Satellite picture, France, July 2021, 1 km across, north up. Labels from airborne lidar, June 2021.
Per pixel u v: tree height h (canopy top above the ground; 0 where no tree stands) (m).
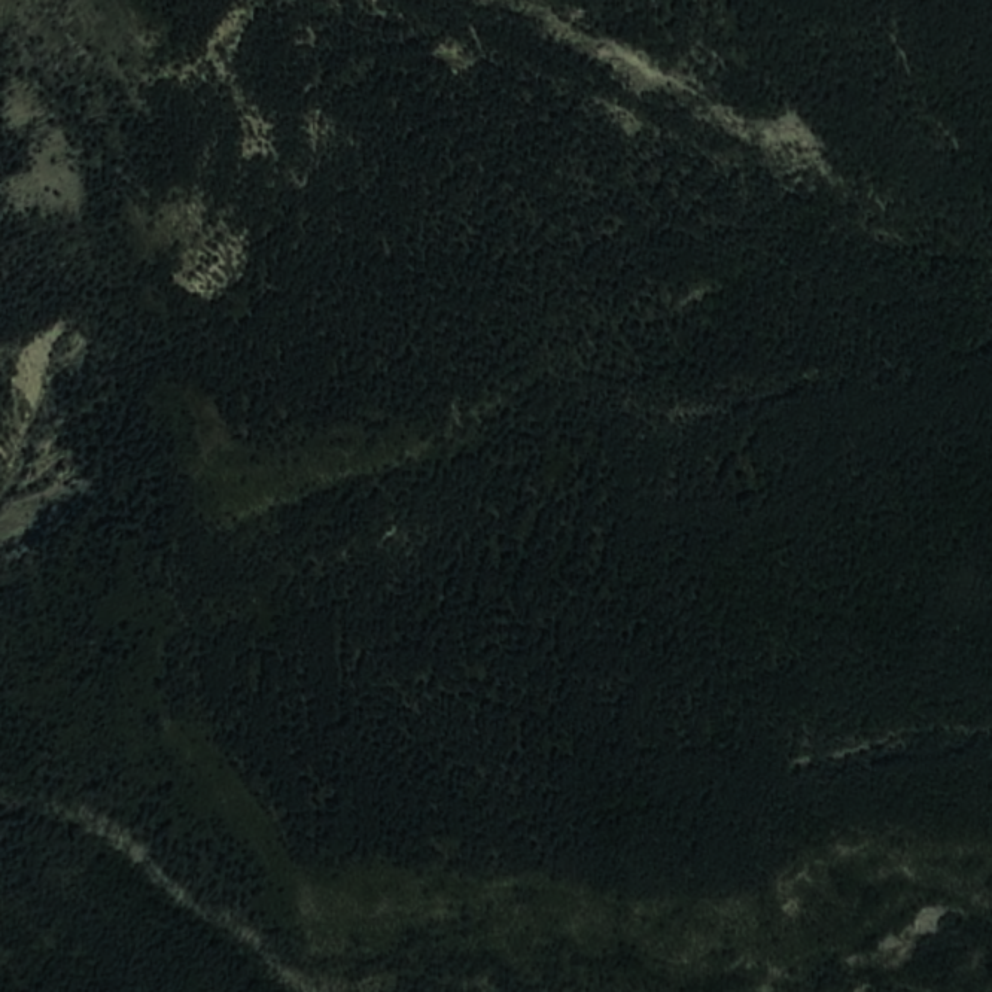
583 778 17
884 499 13
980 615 10
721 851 15
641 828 16
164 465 12
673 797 11
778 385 12
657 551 14
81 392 15
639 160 13
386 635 17
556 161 12
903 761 13
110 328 10
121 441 11
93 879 6
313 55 12
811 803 9
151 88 6
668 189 13
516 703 15
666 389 14
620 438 10
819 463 15
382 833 11
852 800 14
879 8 10
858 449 13
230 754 7
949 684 10
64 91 8
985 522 14
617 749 18
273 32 10
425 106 17
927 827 10
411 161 13
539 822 11
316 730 15
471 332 15
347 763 15
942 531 15
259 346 13
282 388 15
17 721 12
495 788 12
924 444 13
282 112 12
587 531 15
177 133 13
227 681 14
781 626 10
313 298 13
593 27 6
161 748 6
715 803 13
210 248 6
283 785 15
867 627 14
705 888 9
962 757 13
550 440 9
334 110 9
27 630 8
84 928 13
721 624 10
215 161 8
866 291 13
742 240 11
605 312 15
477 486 12
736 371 15
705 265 13
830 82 15
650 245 13
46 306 8
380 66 15
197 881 8
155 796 7
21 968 8
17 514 0
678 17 10
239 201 10
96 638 11
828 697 13
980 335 13
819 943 5
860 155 8
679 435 9
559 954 6
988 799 15
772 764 13
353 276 17
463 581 14
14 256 6
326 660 12
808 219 8
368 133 14
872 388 11
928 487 10
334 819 18
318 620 13
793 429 16
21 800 8
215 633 10
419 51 15
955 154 12
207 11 12
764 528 12
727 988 10
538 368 9
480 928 8
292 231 11
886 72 13
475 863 11
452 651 15
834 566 12
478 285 13
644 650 16
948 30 13
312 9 11
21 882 10
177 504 11
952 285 16
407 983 10
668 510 14
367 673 15
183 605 9
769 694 16
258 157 10
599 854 15
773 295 13
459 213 11
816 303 14
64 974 8
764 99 9
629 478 15
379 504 14
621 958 8
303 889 0
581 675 16
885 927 9
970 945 8
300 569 9
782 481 15
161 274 8
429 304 14
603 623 13
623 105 11
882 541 12
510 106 10
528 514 14
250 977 9
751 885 11
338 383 8
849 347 10
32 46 6
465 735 13
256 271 8
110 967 10
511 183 12
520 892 10
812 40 7
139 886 15
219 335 15
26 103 0
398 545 6
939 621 11
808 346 15
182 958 9
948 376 10
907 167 9
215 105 8
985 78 13
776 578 13
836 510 13
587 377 13
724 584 9
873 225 9
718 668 15
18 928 7
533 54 13
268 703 17
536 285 13
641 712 15
